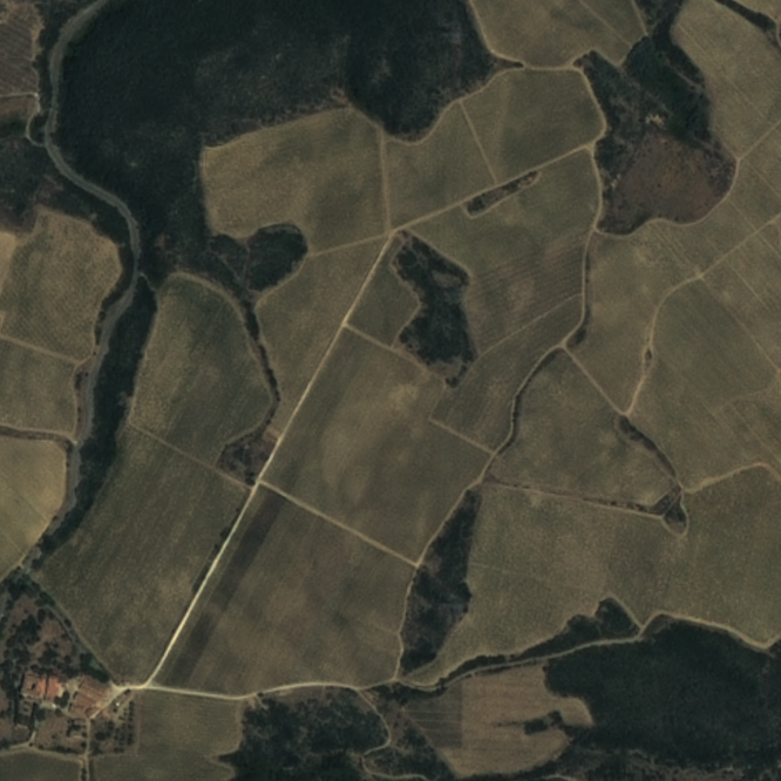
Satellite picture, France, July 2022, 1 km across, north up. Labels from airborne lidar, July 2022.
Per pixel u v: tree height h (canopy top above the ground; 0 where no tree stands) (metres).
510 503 0
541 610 0
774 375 0
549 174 0
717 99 0
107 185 9
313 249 0
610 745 6
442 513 0
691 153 0
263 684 0
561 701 0
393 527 0
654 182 0
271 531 0
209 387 0
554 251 0
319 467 0
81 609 0
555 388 0
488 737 0
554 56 0
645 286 0
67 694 9
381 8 10
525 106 0
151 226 10
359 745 7
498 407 0
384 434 0
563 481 0
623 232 0
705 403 0
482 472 0
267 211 0
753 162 0
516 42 0
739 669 7
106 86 6
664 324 0
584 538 0
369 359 0
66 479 0
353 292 0
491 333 0
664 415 0
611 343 0
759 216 0
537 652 7
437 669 0
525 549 0
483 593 0
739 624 0
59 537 7
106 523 0
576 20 0
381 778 0
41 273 0
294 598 0
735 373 0
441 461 0
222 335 0
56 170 6
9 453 0
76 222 0
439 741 0
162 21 5
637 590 0
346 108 0
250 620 0
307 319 0
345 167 0
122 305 0
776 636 0
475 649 0
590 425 0
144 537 0
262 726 5
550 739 0
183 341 0
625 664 6
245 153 0
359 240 0
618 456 0
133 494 0
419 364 0
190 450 0
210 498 0
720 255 0
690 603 0
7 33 0
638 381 0
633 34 0
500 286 0
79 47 15
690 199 0
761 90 0
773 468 0
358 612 0
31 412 0
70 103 7
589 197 0
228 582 0
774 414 0
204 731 0
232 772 0
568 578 0
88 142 5
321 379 0
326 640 0
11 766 0
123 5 10
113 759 0
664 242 0
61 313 0
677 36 0
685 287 0
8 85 0
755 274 0
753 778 6
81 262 0
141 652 0
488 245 0
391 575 0
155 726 0
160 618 0
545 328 0
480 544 0
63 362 0
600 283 0
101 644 0
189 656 0
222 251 7
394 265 0
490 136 0
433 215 0
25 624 9
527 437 0
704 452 0
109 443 8
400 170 0
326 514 0
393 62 6
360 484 0
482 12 0
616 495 0
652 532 0
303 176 0
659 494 0
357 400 0
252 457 0
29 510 0
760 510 0
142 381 0
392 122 6
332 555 0
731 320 0
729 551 0
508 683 0
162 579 0
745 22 0
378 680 0
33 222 0
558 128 0
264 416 0
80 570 0
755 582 0
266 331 0
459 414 0
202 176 0
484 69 6
